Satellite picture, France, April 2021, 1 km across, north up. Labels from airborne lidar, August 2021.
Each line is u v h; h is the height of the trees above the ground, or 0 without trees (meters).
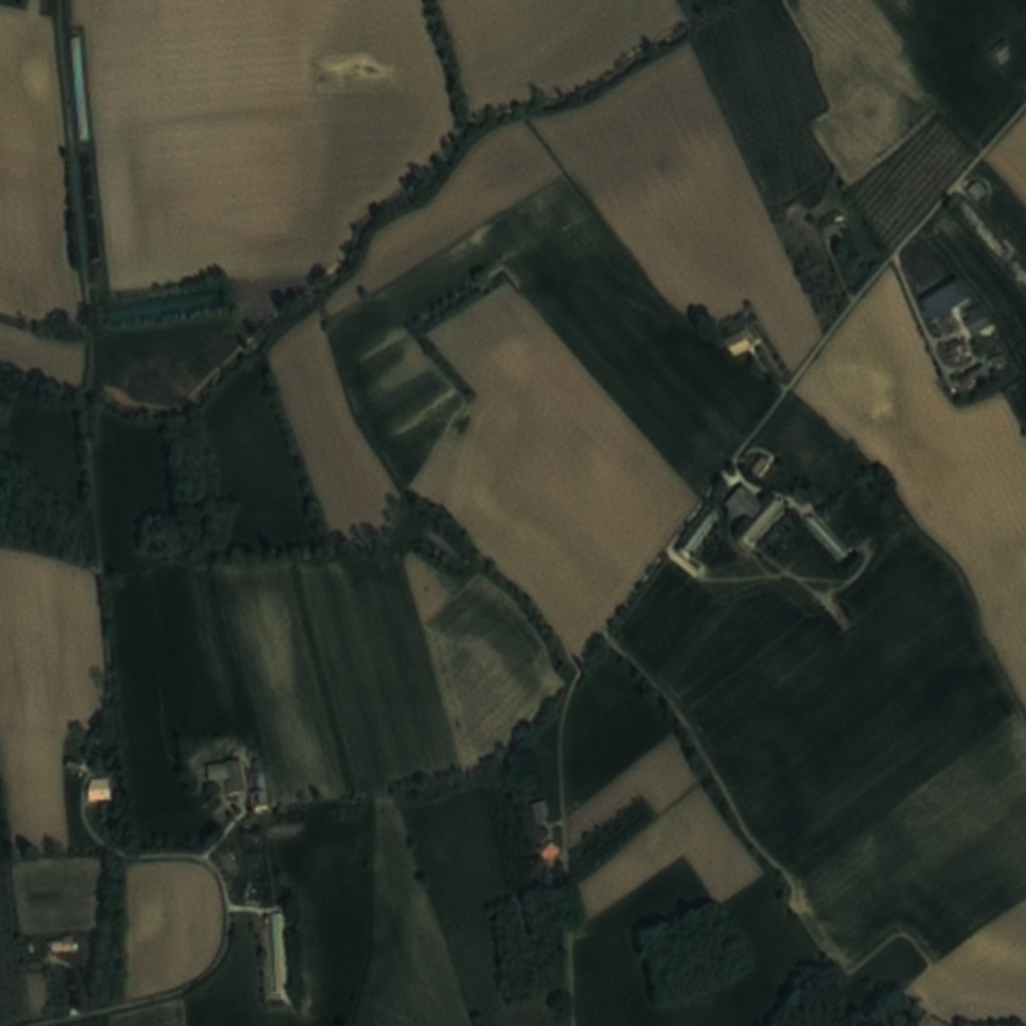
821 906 0
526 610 6
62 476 0
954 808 0
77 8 0
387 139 0
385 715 0
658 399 0
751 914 0
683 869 0
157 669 0
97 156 0
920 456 0
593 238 0
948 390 9
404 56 0
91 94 0
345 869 0
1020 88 0
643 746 0
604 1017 0
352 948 0
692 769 21
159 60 0
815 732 0
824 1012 22
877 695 0
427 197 26
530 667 0
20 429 0
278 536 0
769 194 7
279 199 0
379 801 0
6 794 22
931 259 0
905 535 0
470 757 0
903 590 0
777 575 0
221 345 0
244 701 0
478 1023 11
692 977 18
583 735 0
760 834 0
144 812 0
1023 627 0
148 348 0
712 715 0
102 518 0
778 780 0
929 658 0
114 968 15
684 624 0
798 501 18
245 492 0
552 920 16
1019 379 0
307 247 0
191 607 0
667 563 11
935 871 0
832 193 0
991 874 0
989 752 0
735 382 0
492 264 0
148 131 0
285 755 0
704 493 0
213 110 0
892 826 0
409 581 0
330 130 0
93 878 0
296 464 10
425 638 0
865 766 0
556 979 17
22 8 12
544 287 0
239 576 0
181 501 26
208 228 0
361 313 0
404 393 0
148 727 0
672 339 0
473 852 0
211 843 18
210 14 0
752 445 0
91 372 0
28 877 0
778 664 0
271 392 12
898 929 0
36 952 0
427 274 0
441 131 0
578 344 0
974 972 0
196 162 0
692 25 10
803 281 11
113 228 0
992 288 0
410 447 0
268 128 0
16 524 30
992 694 0
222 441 0
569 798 0
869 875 0
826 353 0
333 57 0
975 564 0
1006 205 0
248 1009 0
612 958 0
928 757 0
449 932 0
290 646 0
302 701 0
